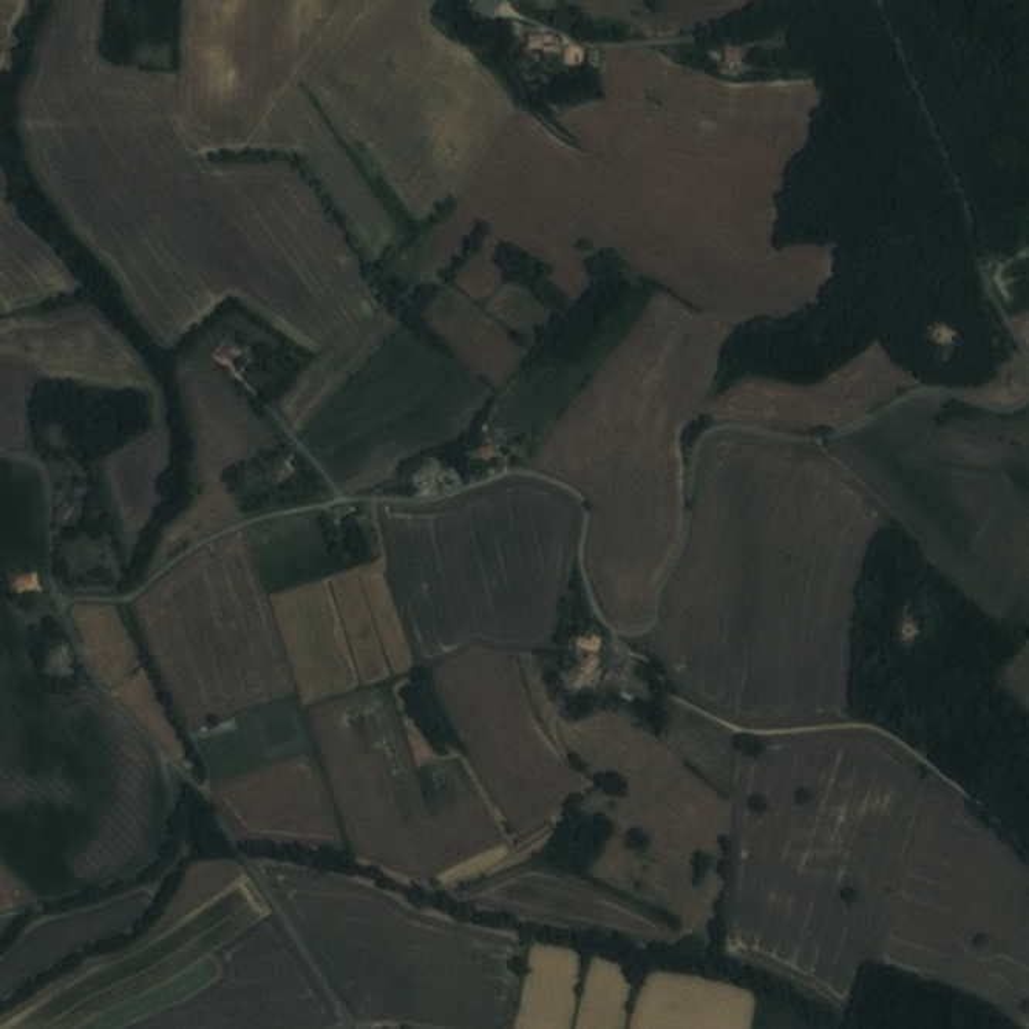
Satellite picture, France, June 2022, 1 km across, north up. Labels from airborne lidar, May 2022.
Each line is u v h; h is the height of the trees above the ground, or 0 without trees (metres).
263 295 0
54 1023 0
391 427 0
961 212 15
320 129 0
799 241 13
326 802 0
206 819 23
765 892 0
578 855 10
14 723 0
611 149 0
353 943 0
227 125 0
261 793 0
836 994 0
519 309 0
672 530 0
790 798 0
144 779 0
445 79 0
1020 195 13
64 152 0
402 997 0
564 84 15
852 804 0
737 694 0
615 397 0
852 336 10
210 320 13
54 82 0
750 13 16
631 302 0
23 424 0
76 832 0
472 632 0
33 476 0
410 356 0
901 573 7
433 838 0
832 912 0
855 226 21
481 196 0
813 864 0
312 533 0
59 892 0
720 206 0
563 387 0
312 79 0
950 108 15
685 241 0
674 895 0
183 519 0
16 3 0
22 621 0
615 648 0
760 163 0
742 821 0
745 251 0
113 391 8
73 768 0
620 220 0
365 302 0
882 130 14
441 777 0
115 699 0
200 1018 0
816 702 0
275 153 13
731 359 9
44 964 0
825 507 0
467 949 0
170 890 13
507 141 0
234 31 0
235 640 0
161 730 0
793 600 0
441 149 0
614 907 0
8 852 0
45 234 20
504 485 0
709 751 0
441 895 14
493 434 0
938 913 0
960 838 0
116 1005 0
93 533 11
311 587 0
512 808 0
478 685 0
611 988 0
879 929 0
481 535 0
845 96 13
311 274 0
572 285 0
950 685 6
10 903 0
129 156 0
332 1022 0
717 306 0
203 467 0
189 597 0
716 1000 0
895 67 13
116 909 0
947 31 20
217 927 0
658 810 0
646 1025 0
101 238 0
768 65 13
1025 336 0
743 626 0
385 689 0
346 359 0
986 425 0
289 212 0
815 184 17
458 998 0
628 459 0
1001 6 15
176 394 14
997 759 19
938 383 15
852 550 0
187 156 0
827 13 15
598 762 0
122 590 9
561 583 0
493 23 16
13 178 12
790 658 0
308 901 0
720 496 0
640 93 0
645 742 0
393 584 0
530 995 0
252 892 0
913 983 22
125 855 0
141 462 0
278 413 0
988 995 0
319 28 0
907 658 11
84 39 0
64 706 0
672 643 0
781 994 25
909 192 15
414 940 0
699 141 0
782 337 13
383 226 0
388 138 0
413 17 0
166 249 0
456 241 0
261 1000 0
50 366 0
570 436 0
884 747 0
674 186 0
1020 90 13
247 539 0
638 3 0
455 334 0
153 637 0
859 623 10
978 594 0
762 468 0
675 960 30
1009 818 19
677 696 12
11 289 0
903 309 18
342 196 0
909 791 0
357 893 0
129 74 0
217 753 0
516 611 0
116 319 10
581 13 13
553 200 0
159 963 0
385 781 0
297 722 0
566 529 0
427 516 0
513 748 0
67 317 0
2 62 0
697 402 0
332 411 0
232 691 0
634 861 0
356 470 0
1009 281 0
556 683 10
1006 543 0
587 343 9
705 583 0
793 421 0
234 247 0
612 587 0
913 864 0
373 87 0
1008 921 0
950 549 0
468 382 0
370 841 0
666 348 0
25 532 0
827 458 0
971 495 0
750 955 0
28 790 0
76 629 0
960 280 15
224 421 0
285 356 7
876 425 0
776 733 0
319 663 0
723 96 0
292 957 0
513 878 0
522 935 17
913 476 0
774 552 0
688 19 0
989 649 8
